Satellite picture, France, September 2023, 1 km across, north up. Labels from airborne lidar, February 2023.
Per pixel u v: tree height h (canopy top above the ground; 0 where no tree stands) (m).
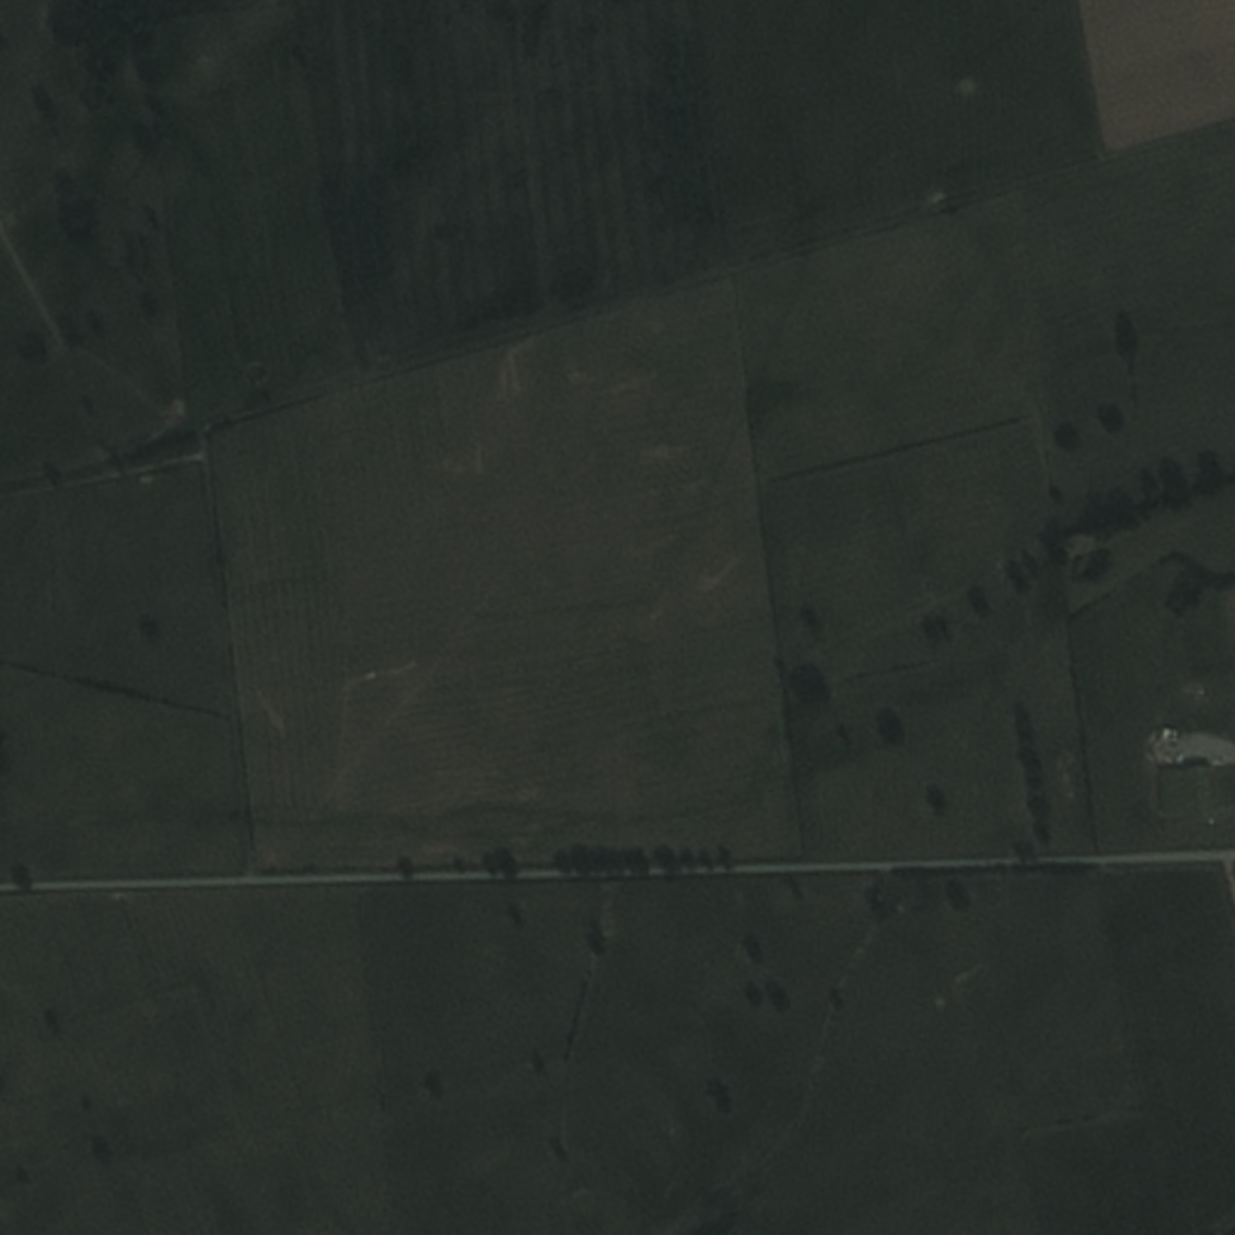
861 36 0
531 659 0
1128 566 0
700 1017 0
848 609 0
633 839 0
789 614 0
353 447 0
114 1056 0
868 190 0
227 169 0
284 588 0
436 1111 0
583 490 0
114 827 0
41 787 0
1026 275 0
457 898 0
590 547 0
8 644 0
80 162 0
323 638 0
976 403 0
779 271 0
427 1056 0
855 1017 0
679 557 0
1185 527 0
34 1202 0
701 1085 0
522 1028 0
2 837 0
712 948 0
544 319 0
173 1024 0
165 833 0
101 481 0
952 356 0
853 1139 0
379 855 0
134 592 0
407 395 0
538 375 0
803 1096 0
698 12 0
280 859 0
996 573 0
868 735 0
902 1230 0
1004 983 0
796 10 0
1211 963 0
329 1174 0
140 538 0
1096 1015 0
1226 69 0
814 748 0
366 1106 0
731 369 0
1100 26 0
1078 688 6
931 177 0
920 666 0
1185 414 0
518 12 0
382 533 0
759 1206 0
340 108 0
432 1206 0
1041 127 0
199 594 0
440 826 0
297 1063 0
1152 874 0
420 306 0
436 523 0
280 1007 0
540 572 0
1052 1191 0
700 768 0
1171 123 0
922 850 0
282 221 0
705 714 0
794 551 0
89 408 13
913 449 0
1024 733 13
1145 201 0
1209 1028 0
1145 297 0
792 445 0
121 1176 0
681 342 0
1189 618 0
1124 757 0
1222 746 0
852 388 0
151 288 0
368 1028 0
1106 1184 0
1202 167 0
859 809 0
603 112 0
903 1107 0
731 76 0
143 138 14
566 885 0
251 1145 0
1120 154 0
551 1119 0
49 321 0
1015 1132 0
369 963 0
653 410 0
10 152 0
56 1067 0
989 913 0
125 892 0
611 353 0
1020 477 0
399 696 0
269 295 0
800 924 0
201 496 0
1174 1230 0
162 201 0
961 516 0
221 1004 0
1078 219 0
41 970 0
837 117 0
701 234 0
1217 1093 0
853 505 0
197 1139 0
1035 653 0
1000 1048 0
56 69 0
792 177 0
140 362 0
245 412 0
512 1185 0
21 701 0
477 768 0
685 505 0
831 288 0
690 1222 0
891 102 0
